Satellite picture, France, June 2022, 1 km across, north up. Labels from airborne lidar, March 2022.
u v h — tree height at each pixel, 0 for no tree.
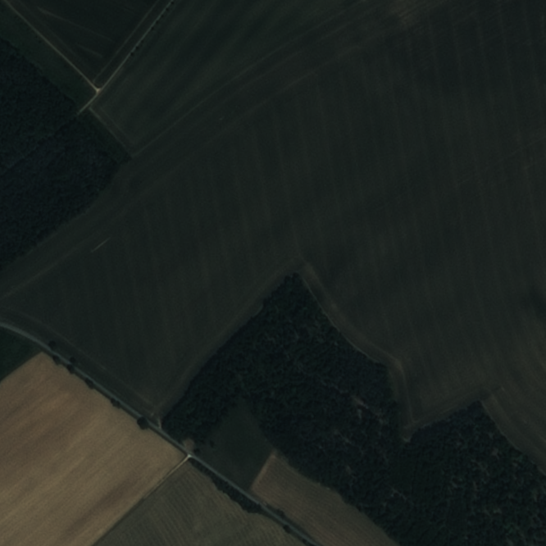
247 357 22
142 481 0
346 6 0
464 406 0
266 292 0
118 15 0
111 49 0
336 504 0
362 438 20
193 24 0
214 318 0
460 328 0
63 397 0
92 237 0
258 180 0
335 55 0
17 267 0
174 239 0
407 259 0
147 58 0
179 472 0
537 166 0
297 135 0
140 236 0
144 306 0
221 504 0
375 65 0
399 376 0
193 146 0
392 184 0
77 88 0
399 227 0
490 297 0
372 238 0
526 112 0
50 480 0
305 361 19
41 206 21
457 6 0
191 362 0
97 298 0
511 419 0
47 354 0
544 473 0
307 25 0
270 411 8
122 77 0
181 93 0
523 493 20
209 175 0
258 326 16
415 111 0
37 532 0
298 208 0
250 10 0
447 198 0
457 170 0
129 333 0
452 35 0
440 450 10
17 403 0
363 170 0
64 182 21
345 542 0
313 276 0
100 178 15
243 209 0
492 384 0
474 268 0
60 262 0
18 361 0
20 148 17
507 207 0
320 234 0
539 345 0
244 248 0
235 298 0
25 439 0
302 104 0
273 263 0
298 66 0
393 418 20
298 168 0
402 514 23
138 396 0
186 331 0
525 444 0
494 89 0
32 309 0
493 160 0
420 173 0
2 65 22
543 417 0
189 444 0
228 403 22
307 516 0
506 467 14
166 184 0
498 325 0
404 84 0
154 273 0
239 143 0
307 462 20
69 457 0
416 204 0
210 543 0
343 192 0
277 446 14
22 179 17
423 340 0
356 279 0
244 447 0
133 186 0
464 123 0
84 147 16
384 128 0
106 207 0
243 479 0
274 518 0
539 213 0
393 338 0
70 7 0
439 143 0
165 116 0
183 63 0
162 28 0
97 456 0
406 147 0
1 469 0
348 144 0
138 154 0
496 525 16
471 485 21
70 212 18
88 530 0
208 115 0
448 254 0
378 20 0
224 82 0
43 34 0
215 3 0
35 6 0
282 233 0
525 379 0
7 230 21
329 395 23
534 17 0
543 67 0
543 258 0
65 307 0
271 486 0
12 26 0
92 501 0
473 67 0
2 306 0
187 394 10
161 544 0
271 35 0
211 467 0
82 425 0
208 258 0
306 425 22
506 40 0
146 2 0
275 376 14
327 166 0
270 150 0
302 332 18
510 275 0
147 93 0
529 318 0
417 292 0
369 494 17
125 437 0
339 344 17
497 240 0
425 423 0
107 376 0
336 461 18
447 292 0
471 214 0
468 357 0
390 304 0
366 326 0
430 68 0
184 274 0
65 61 0
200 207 0
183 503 0
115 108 0
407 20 0
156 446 0
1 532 0
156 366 0
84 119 0
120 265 0
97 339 0
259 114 0
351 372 23
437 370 0
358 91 0
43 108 20
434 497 17
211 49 0
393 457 14
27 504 0
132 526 0
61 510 0
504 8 0
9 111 18
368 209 0
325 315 12
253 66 0
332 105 0
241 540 0
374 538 0
